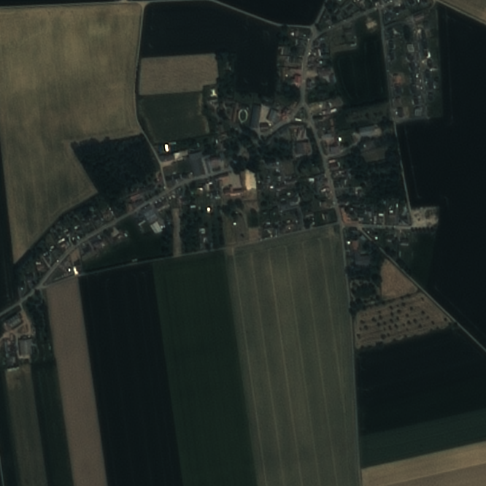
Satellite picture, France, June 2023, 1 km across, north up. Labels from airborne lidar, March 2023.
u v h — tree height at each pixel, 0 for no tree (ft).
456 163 0
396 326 19
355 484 0
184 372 0
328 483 0
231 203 39
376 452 0
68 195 0
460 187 0
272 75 0
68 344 0
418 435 0
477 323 0
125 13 0
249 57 0
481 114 0
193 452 0
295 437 0
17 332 0
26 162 0
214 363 0
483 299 0
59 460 0
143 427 0
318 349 0
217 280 0
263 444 0
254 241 0
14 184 0
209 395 0
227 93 22
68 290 0
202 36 0
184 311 0
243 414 0
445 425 0
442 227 0
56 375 0
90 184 0
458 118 0
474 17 0
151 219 0
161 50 0
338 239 0
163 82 0
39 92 0
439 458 0
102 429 0
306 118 50
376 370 0
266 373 0
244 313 0
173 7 0
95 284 0
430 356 0
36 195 0
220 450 0
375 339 0
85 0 0
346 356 0
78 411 0
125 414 0
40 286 0
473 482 0
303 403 0
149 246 0
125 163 73
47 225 0
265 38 0
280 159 30
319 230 0
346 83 0
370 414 0
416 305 0
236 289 0
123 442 0
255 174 0
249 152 52
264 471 0
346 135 0
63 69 0
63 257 0
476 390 0
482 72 0
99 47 0
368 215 0
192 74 0
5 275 0
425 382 0
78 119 0
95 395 0
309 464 0
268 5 0
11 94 0
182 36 0
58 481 0
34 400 0
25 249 0
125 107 0
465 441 0
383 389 0
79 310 0
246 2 0
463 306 0
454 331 0
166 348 0
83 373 0
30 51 0
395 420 0
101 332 0
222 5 0
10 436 0
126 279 0
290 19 0
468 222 0
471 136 0
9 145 0
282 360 0
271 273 0
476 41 0
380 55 0
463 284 0
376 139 44
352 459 0
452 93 0
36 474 0
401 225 0
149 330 0
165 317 0
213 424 0
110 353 0
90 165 51
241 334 0
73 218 19
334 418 0
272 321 0
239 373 0
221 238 28
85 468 0
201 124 0
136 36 0
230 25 0
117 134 0
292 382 0
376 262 51
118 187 52
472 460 0
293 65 31
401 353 0
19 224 0
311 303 0
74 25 0
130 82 0
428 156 0
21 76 0
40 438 0
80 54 0
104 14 0
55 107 0
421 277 0
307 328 0
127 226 0
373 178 17
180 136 0
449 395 0
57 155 0
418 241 0
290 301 0
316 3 0
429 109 0
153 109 0
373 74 0
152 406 0
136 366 0
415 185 0
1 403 0
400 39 0
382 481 0
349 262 0
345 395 0
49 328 24
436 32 0
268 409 0
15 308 0
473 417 0
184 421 0
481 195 0
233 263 0
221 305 0
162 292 0
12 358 0
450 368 0
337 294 0
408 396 0
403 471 0
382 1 0
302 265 0
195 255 0
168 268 0
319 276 0
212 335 0
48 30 0
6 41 0
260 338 0
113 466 0
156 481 0
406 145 0
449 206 0
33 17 0
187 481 0
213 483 0
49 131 0
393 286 0
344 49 0
